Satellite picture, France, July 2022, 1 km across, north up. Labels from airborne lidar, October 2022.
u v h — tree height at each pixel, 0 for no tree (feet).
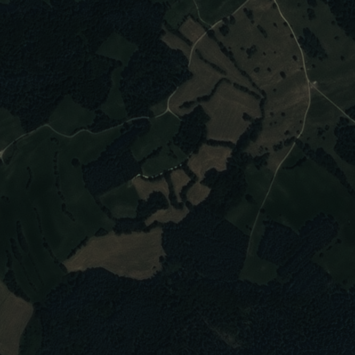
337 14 47
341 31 0
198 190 0
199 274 102
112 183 69
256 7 0
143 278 0
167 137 0
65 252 0
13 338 0
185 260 98
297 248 34
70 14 104
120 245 0
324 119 0
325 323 89
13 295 0
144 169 0
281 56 0
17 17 106
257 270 0
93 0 72
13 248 44
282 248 76
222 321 96
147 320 64
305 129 0
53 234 0
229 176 84
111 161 79
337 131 62
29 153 0
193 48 0
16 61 95
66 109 0
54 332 52
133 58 46
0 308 0
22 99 70
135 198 0
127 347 70
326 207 0
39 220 21
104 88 23
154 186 0
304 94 0
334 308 81
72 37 92
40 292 0
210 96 20
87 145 0
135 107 30
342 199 0
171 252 72
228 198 74
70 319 52
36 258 0
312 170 0
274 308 106
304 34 0
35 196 0
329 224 74
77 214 0
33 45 93
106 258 0
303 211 0
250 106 0
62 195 30
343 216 0
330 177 0
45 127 0
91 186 59
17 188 0
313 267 81
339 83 0
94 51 33
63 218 0
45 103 40
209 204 56
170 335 62
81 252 0
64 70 90
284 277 45
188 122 64
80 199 0
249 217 0
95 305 53
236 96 0
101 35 74
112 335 58
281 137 0
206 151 0
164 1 0
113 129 0
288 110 0
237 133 0
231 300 85
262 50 0
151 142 0
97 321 81
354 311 68
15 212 0
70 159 0
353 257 0
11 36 92
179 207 56
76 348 39
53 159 0
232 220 0
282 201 0
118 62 38
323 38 0
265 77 0
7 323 0
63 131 0
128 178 51
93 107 28
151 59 48
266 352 83
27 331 20
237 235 49
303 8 0
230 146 39
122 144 92
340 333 94
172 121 0
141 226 66
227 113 0
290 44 0
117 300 29
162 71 55
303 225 0
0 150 0
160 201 54
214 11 0
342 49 0
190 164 0
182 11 0
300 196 0
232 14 0
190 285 83
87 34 24
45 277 0
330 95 0
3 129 0
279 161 0
